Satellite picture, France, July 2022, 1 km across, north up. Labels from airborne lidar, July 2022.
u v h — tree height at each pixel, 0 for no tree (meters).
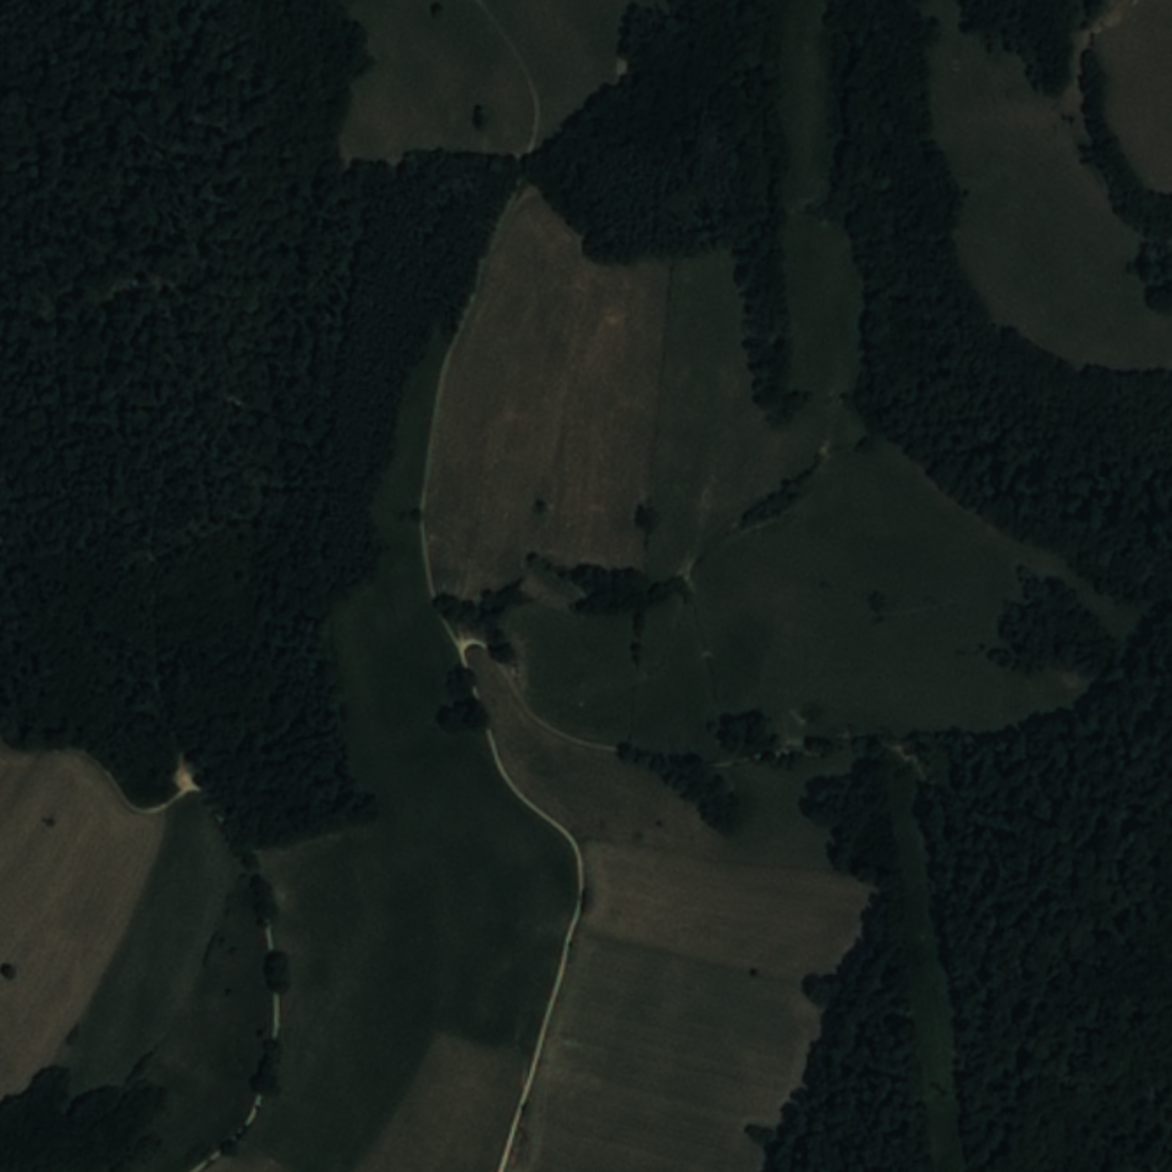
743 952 0
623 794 0
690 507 0
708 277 0
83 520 24
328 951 0
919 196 33
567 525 0
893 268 30
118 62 22
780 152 23
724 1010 0
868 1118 23
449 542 0
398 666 0
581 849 0
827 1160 27
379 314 19
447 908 0
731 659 0
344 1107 0
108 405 30
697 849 0
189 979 0
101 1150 17
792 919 0
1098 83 14
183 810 0
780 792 0
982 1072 26
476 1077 0
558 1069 0
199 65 31
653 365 0
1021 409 22
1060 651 25
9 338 24
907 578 0
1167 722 22
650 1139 0
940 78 0
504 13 0
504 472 0
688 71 18
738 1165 0
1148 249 15
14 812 0
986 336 16
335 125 20
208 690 18
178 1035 0
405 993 0
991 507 35
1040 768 25
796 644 0
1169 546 30
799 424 0
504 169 19
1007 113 0
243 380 32
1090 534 38
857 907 0
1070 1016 25
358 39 24
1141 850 27
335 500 22
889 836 7
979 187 0
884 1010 20
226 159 28
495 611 11
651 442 0
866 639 0
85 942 0
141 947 0
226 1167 0
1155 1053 33
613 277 0
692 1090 0
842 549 0
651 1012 0
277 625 21
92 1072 0
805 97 0
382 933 0
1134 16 0
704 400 0
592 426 0
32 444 18
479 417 0
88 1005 0
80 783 0
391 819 0
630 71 9
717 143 36
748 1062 0
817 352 0
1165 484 27
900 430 24
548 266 0
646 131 28
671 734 0
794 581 0
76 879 0
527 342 0
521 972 0
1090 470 12
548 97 0
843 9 17
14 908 0
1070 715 15
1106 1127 32
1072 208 0
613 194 31
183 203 27
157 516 22
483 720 20
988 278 0
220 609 12
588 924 0
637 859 0
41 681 13
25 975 0
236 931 0
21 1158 13
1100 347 0
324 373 21
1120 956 23
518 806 0
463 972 0
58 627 12
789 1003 0
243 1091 0
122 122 32
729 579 0
